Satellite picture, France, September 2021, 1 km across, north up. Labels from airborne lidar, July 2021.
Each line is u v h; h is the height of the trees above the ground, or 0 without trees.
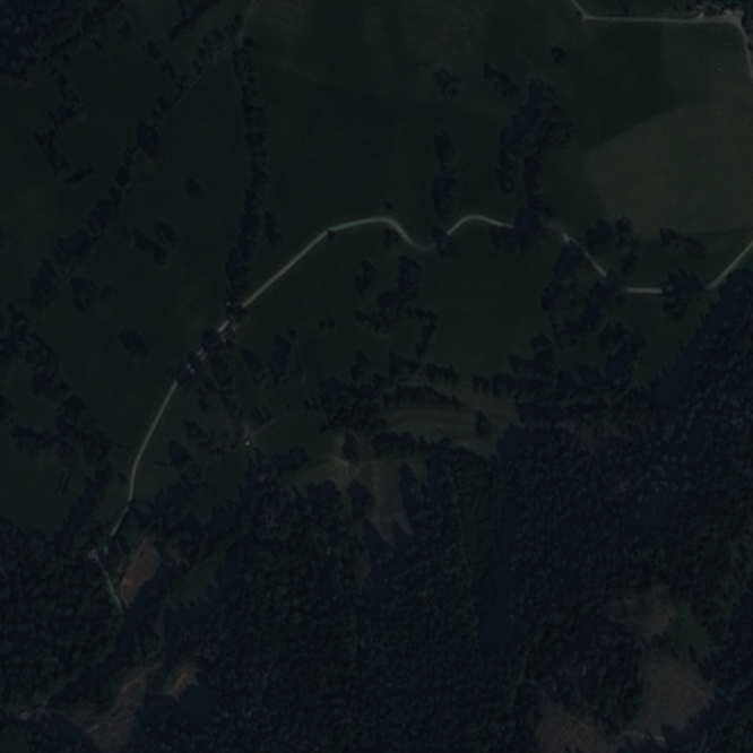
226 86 0
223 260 0
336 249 0
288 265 0
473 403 0
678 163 0
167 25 0
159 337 0
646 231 0
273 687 26
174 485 0
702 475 26
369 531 0
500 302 0
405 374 18
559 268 0
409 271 21
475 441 0
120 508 0
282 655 30
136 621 12
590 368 0
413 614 28
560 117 23
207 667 25
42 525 0
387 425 13
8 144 0
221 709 25
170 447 0
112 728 32
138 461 0
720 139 0
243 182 0
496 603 9
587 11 0
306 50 0
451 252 22
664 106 0
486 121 0
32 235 0
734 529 10
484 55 0
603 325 21
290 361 25
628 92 0
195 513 0
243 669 22
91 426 13
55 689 32
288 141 0
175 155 0
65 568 12
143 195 0
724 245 0
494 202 0
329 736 34
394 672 31
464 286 0
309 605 29
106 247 0
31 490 0
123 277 0
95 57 0
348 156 0
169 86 0
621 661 17
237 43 22
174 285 0
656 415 20
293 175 0
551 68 0
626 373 22
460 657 29
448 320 0
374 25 0
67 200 0
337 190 0
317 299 0
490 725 29
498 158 0
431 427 0
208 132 0
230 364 19
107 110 0
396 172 0
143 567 25
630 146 0
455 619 31
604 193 0
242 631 23
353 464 16
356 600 21
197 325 0
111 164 0
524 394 21
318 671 37
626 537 14
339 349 0
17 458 0
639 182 0
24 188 0
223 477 0
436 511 31
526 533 28
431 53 0
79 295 17
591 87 0
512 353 0
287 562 29
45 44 18
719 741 23
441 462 17
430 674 34
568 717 25
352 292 0
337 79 0
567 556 11
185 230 0
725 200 0
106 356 0
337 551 26
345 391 14
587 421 22
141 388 0
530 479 32
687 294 23
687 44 0
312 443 0
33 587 26
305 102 0
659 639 30
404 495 0
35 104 0
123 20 22
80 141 0
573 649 12
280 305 0
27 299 0
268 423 15
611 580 29
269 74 0
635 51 0
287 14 0
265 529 22
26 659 42
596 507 35
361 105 0
